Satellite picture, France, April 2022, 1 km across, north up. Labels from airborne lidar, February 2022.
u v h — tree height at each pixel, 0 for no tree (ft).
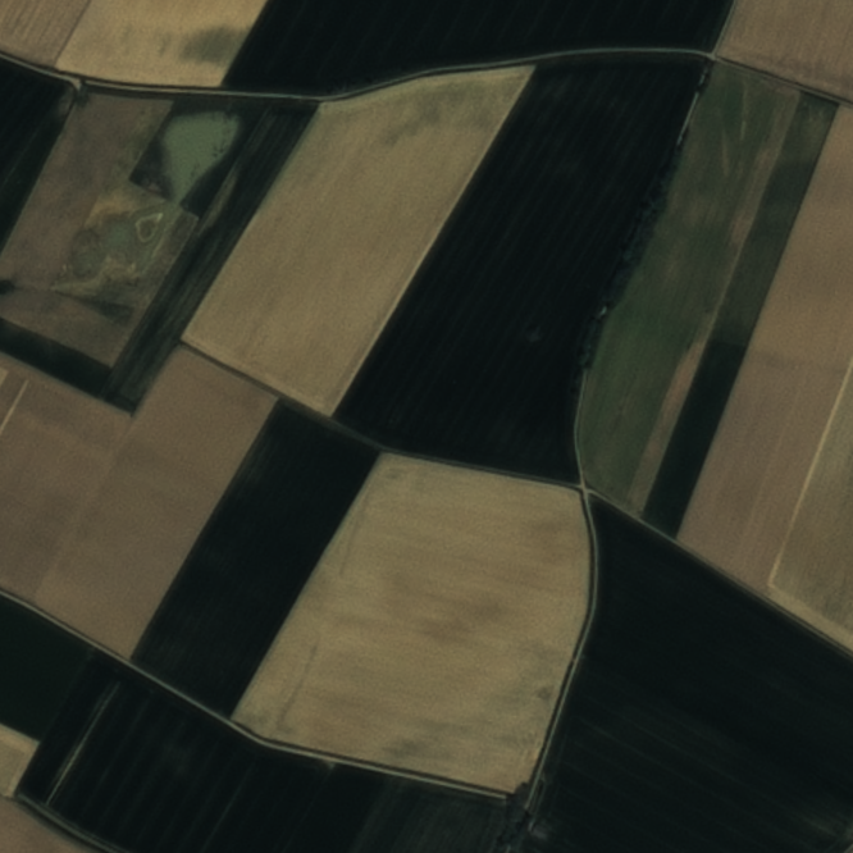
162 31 0
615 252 0
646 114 0
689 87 0
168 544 0
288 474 0
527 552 0
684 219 0
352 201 0
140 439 0
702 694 0
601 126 0
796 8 0
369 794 0
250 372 0
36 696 0
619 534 0
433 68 0
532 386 0
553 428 0
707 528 0
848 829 0
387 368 0
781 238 0
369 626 0
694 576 0
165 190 0
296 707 0
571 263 0
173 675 0
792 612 0
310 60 0
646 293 0
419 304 0
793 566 0
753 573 0
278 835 0
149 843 0
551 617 0
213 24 0
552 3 0
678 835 0
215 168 0
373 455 0
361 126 0
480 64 0
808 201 0
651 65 0
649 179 0
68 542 0
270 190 0
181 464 0
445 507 0
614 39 0
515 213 0
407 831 0
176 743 0
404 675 0
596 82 0
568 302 0
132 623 0
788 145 0
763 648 0
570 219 0
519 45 0
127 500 0
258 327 0
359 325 0
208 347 0
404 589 0
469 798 0
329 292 0
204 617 0
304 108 0
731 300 0
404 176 0
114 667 0
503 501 0
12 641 0
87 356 0
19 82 0
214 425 0
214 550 0
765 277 0
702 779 0
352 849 0
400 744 0
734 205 0
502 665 0
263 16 0
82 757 0
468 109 0
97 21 0
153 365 0
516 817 53
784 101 0
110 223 0
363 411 0
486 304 0
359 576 0
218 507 0
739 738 0
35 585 0
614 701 0
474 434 0
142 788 0
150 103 0
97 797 0
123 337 0
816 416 0
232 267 0
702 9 0
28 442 0
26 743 0
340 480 0
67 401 0
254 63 0
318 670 0
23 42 0
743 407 0
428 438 0
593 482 0
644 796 0
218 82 0
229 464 0
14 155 0
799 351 0
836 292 0
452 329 0
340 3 0
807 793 0
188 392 0
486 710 0
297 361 0
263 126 0
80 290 0
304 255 0
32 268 0
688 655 0
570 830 0
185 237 0
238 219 0
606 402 0
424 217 0
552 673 0
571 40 0
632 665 0
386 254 0
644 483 0
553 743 0
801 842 0
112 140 0
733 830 0
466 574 0
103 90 0
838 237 0
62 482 0
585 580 0
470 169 0
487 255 0
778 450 0
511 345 0
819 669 0
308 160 0
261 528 0
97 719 0
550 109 0
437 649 0
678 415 0
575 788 0
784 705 0
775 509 0
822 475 0
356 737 0
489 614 0
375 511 0
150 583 0
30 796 0
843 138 0
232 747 0
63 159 0
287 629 0
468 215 0
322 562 0
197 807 0
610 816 0
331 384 0
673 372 0
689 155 0
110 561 0
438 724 0
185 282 0
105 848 0
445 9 0
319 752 0
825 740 0
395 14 0
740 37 0
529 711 0
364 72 0
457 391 0
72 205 0
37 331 0
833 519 0
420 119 0
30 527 0
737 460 0
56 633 0
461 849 0
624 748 0
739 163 0
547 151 0
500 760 0
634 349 0
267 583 0
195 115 0
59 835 0
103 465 0
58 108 0
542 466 0
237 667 0
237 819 0
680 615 0
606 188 0
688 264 0
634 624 0
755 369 0
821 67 0
